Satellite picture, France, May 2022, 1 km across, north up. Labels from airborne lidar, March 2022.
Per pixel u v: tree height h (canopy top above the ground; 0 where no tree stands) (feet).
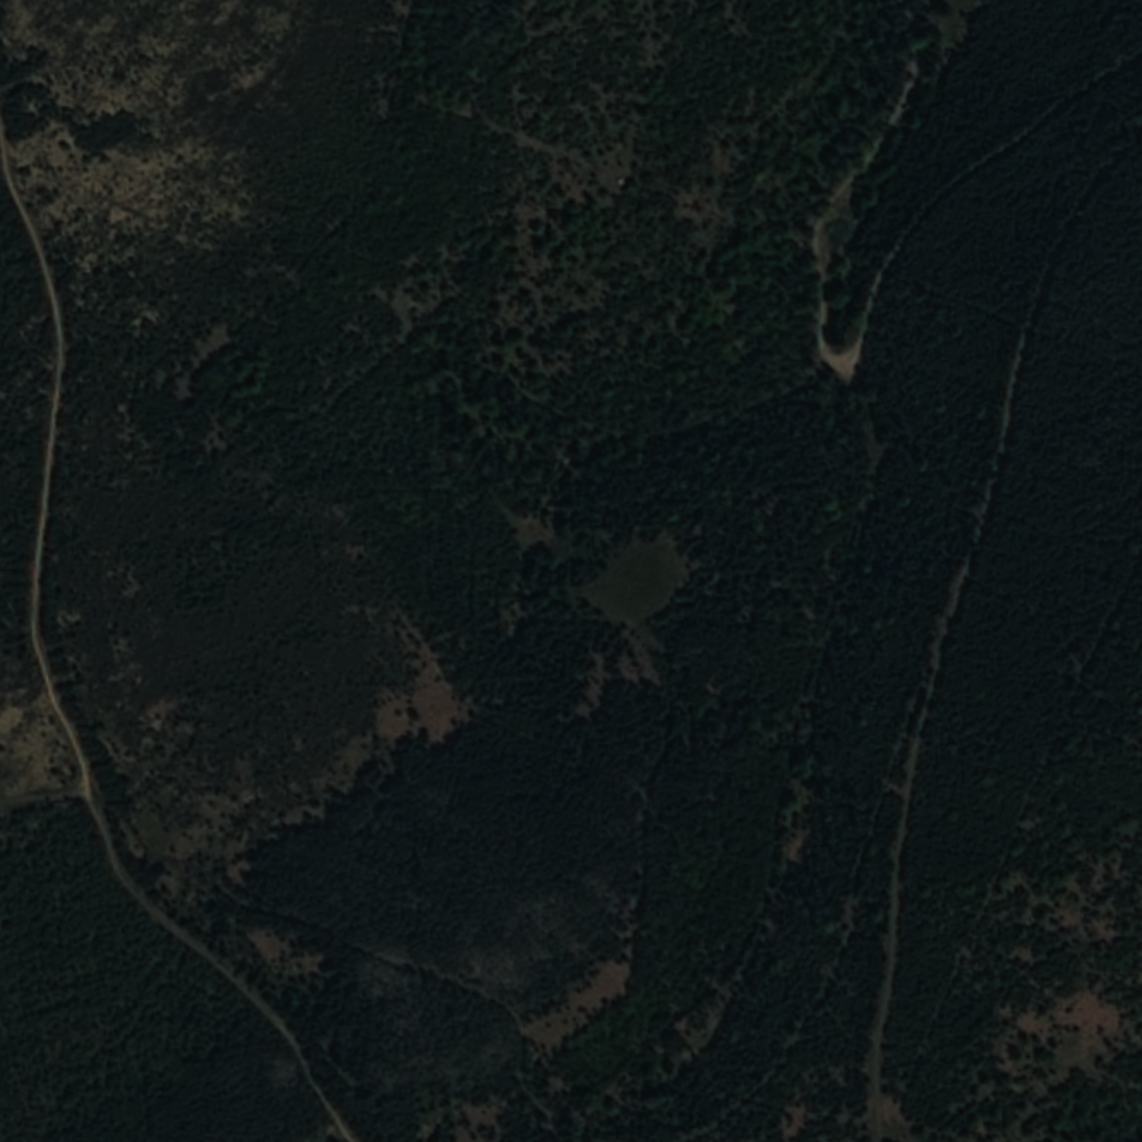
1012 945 27
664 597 0
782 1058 38
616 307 22
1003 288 53
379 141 25
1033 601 43
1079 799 31
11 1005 31
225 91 0
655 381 43
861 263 48
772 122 25
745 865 27
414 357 32
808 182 47
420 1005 46
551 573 47
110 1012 25
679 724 40
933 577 39
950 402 32
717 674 63
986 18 39
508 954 50
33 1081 22
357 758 0
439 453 25
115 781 32
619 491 55
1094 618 48
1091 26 30
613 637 50
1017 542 39
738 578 45
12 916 33
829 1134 34
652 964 49
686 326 55
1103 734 45
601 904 63
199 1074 41
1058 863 33
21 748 0
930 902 23
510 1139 25
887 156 50
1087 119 60
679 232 26
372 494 37
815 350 32
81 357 27
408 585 39
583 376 26
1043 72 32
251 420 35
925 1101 23
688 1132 35
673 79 32
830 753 28
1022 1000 20
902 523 24
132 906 38
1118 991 21
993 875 32
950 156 32
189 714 20
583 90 25
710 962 24
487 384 56
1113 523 58
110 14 0
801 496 35
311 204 23
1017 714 40
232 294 22
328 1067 73
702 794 46
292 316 29
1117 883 26
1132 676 36
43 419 0
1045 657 48
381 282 24
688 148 21
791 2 30
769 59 31
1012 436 29
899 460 47
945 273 42
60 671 34
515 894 58
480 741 23
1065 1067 0
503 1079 37
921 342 32
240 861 20
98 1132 27
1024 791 20
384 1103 46
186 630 0
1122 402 53
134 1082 32
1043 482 52
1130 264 63
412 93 42
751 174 40
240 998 27
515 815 65
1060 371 41
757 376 50
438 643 31
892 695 28
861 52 32
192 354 28
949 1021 28
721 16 22
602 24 20
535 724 26
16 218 25
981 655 40
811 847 22
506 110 19
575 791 59
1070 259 58
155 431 31
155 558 17
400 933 51
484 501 27
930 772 20
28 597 28
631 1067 24
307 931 47
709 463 38
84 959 29
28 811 25
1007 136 59
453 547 46
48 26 0
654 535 30
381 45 20
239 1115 46
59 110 21
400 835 56
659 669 22
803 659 37
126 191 0
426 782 49
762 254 47
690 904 38
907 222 50
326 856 52
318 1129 53
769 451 53
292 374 31
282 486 27
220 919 31
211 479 29
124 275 32
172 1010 32
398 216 30
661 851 31
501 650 24
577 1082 43
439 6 53
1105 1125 20
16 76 31
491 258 62
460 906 65
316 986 20
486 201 25
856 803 66
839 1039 23
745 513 35
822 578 52
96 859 41
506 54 26
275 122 0
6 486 0
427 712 0
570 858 62
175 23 0
